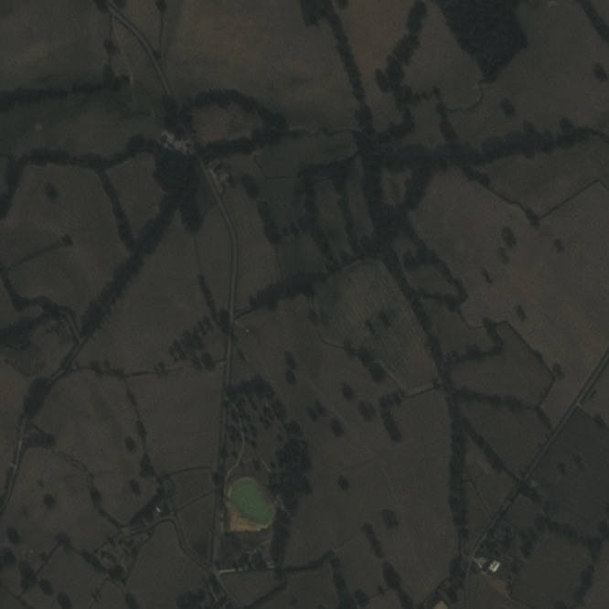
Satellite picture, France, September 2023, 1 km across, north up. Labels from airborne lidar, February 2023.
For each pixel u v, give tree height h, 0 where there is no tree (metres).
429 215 0
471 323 0
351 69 16
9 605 0
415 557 0
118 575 9
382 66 0
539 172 0
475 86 0
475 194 0
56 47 0
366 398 0
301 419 0
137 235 0
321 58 0
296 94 0
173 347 0
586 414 0
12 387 0
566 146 8
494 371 0
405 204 8
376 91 0
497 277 0
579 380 0
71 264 0
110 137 0
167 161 21
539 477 0
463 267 0
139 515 6
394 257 15
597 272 0
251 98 0
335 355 0
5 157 0
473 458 0
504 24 13
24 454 0
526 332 0
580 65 0
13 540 14
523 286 0
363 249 14
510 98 0
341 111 0
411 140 0
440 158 15
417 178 16
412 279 0
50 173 0
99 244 0
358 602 16
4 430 0
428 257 13
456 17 16
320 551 0
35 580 14
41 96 12
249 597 0
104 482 0
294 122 0
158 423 0
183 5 0
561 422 0
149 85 0
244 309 0
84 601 0
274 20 0
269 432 0
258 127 0
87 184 0
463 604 0
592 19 18
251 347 0
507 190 0
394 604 0
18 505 0
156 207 0
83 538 0
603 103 0
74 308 0
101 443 0
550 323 0
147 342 0
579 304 0
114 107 0
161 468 0
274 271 0
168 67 0
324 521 0
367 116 18
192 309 0
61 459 0
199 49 0
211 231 0
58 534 0
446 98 0
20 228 0
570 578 0
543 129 0
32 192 0
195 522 0
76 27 0
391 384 0
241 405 6
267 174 0
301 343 0
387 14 0
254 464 9
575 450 0
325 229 0
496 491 0
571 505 0
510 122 0
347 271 0
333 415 0
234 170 0
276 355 0
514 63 0
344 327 0
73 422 0
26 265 0
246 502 0
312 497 0
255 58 0
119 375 14
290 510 23
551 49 0
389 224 22
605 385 0
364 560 0
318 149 0
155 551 0
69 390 0
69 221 0
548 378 0
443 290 0
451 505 12
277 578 14
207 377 0
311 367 0
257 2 0
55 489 0
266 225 15
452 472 13
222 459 9
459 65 0
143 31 0
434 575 0
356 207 0
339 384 0
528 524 0
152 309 0
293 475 21
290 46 0
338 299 0
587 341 0
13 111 0
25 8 0
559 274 0
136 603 14
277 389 0
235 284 0
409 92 17
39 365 0
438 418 0
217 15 0
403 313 0
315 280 11
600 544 14
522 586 0
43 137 0
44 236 0
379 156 19
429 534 0
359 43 0
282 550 16
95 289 0
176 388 0
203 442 0
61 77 0
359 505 0
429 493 0
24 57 0
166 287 0
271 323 0
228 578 0
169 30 0
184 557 0
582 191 0
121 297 11
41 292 0
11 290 7
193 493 0
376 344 0
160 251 0
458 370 0
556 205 0
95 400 0
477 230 0
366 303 0
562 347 0
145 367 0
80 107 0
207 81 0
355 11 0
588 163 0
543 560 0
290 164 0
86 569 0
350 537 0
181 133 12
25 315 0
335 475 0
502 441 0
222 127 0
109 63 0
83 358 0
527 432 0
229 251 0
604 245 0
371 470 0
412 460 0
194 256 0
